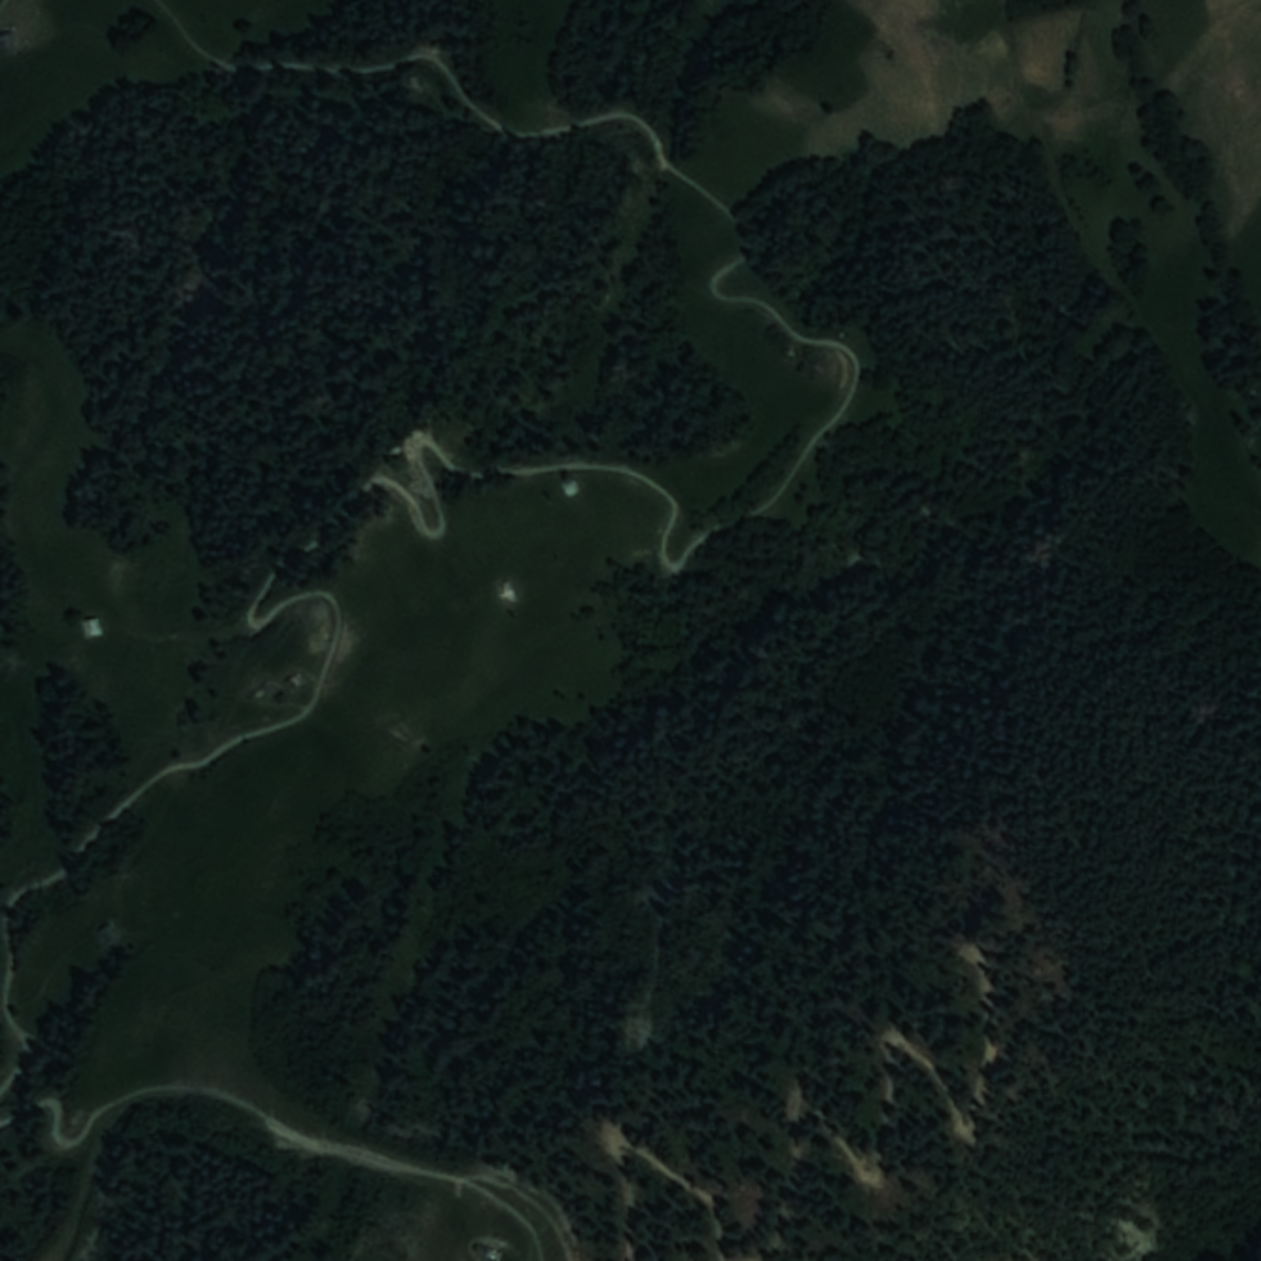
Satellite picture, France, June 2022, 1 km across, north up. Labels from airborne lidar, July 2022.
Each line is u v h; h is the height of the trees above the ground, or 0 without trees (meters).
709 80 33
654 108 13
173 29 0
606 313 0
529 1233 0
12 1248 26
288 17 0
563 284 25
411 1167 0
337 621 0
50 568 0
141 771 0
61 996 0
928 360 28
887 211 16
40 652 0
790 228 37
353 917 30
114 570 0
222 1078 0
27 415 0
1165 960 24
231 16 0
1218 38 0
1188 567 19
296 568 19
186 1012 0
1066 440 30
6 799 14
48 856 0
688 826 27
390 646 0
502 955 11
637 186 13
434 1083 10
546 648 0
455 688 0
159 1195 8
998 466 29
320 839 10
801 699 8
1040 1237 14
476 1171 0
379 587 0
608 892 10
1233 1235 15
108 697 0
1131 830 19
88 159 14
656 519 0
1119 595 14
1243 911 28
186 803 0
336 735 0
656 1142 26
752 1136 27
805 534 15
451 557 0
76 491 19
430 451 0
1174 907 19
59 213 17
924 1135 35
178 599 0
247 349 29
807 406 0
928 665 13
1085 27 0
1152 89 13
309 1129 0
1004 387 29
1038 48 0
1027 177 20
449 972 23
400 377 12
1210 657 11
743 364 0
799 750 13
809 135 0
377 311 10
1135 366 24
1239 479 0
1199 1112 31
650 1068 21
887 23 0
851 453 26
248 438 32
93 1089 0
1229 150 0
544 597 0
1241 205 0
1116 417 15
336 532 27
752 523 19
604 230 21
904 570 9
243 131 13
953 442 17
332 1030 15
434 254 28
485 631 0
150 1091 0
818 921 34
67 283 36
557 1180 22
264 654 0
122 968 12
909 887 17
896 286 31
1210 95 0
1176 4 0
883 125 0
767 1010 28
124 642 0
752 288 0
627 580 18
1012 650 15
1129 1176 23
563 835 13
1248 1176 16
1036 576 10
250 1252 18
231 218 7
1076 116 0
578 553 0
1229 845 27
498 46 8
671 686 9
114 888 0
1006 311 24
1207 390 0
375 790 0
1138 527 27
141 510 12
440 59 0
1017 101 0
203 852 0
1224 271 15
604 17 13
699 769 33
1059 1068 23
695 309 0
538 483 0
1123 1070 14
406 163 29
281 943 0
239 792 0
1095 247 0
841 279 17
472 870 6
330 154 20
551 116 0
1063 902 17
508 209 9
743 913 18
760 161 0
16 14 0
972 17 0
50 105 0
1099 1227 17
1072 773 27
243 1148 7
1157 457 25
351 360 24
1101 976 12
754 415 11
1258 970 11
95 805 9
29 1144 22
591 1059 12
